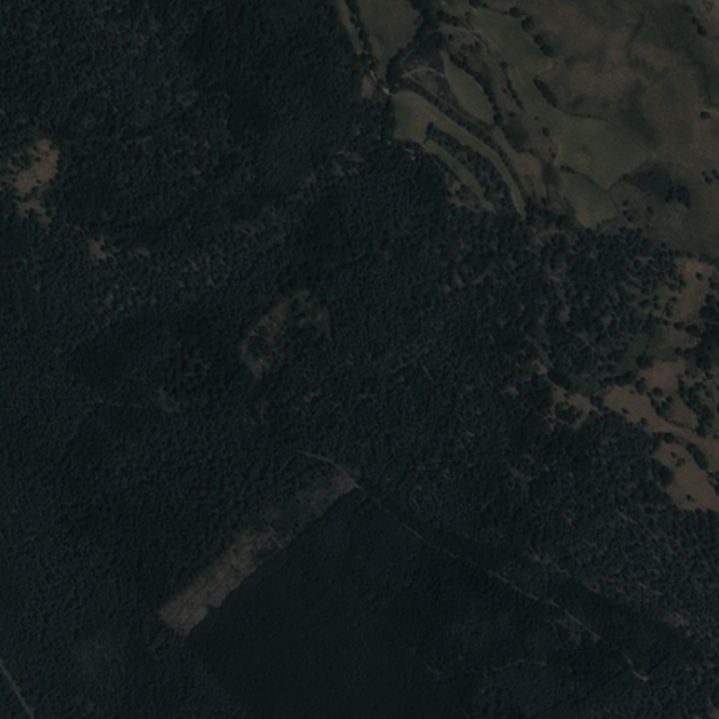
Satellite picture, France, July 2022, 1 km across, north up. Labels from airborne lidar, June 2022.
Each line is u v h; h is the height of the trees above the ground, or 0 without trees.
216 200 18
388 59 0
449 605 17
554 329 16
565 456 15
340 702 12
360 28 8
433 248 16
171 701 17
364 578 15
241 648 14
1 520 17
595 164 0
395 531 13
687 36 0
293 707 12
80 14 11
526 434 16
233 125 12
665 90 0
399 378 12
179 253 13
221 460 13
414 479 20
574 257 18
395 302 17
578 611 13
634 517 16
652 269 14
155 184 20
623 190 0
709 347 7
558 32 0
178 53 12
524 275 11
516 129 0
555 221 11
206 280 14
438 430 10
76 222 16
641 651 13
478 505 20
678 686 21
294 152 17
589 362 17
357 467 11
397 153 11
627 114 0
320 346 19
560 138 0
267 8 7
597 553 20
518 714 13
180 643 17
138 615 17
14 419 19
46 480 17
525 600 13
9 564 19
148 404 6
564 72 0
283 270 15
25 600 17
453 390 9
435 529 12
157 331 16
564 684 13
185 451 17
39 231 15
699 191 0
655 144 0
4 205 15
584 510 21
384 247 13
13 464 19
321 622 12
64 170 16
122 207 21
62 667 13
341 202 16
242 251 14
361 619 10
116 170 13
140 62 14
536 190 0
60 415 22
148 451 14
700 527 16
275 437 14
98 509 9
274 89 17
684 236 0
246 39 14
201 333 15
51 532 18
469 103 0
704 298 0
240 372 27
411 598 16
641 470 20
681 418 0
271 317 8
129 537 19
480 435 20
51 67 20
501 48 0
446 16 15
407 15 0
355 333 13
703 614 20
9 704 18
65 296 17
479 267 14
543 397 16
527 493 11
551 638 12
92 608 20
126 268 17
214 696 20
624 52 0
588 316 15
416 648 12
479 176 12
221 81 17
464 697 16
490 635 15
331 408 21
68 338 17
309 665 12
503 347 12
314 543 13
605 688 20
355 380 19
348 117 17
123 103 14
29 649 16
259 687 16
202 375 14
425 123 0
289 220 7
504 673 9
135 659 9
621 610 14
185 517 18
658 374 0
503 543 14
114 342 15
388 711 11
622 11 0
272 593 12
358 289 12
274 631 15
